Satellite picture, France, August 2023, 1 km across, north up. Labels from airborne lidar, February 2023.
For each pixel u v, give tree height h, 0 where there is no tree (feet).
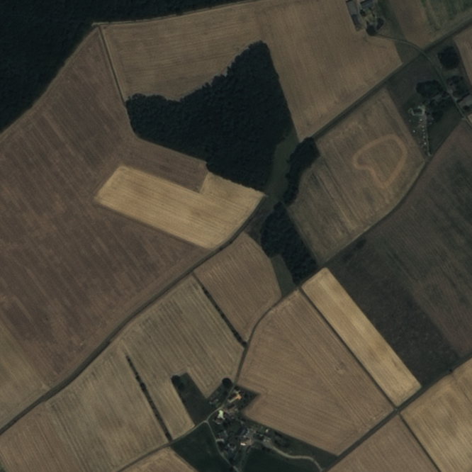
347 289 0
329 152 0
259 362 0
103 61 0
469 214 0
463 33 0
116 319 0
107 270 0
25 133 0
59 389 0
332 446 0
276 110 68
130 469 0
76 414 0
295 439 0
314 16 0
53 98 0
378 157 0
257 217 0
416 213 0
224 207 0
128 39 0
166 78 0
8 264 0
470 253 0
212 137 57
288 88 0
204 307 0
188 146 70
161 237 0
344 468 0
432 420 0
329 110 0
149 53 0
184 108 54
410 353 0
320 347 0
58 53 57
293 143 0
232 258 0
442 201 0
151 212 0
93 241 0
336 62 0
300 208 0
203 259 0
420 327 0
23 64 72
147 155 0
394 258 0
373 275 0
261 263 0
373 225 0
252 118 68
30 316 0
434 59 0
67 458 0
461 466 0
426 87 43
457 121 0
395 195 0
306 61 0
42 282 0
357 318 0
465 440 0
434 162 0
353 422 0
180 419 0
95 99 0
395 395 0
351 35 0
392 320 0
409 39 0
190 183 0
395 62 0
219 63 0
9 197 0
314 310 0
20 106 56
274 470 0
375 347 0
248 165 48
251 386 0
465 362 0
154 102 44
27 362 0
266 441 0
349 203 0
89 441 0
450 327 0
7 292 0
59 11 80
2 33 78
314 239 0
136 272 0
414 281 0
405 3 0
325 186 0
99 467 0
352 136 0
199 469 0
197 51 0
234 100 46
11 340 0
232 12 0
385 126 0
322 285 0
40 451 0
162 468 0
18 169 0
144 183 0
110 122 0
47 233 0
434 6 0
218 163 53
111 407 0
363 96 0
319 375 0
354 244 0
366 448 0
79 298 0
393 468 0
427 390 0
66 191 0
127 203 0
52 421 0
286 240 54
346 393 0
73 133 0
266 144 61
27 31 70
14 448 0
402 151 0
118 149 0
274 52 0
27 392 0
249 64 67
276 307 0
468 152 0
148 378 0
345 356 0
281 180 0
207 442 0
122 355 0
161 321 0
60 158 0
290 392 0
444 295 0
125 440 0
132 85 0
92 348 0
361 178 0
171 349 0
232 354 0
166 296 0
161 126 61
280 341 0
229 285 0
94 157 0
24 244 0
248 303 0
